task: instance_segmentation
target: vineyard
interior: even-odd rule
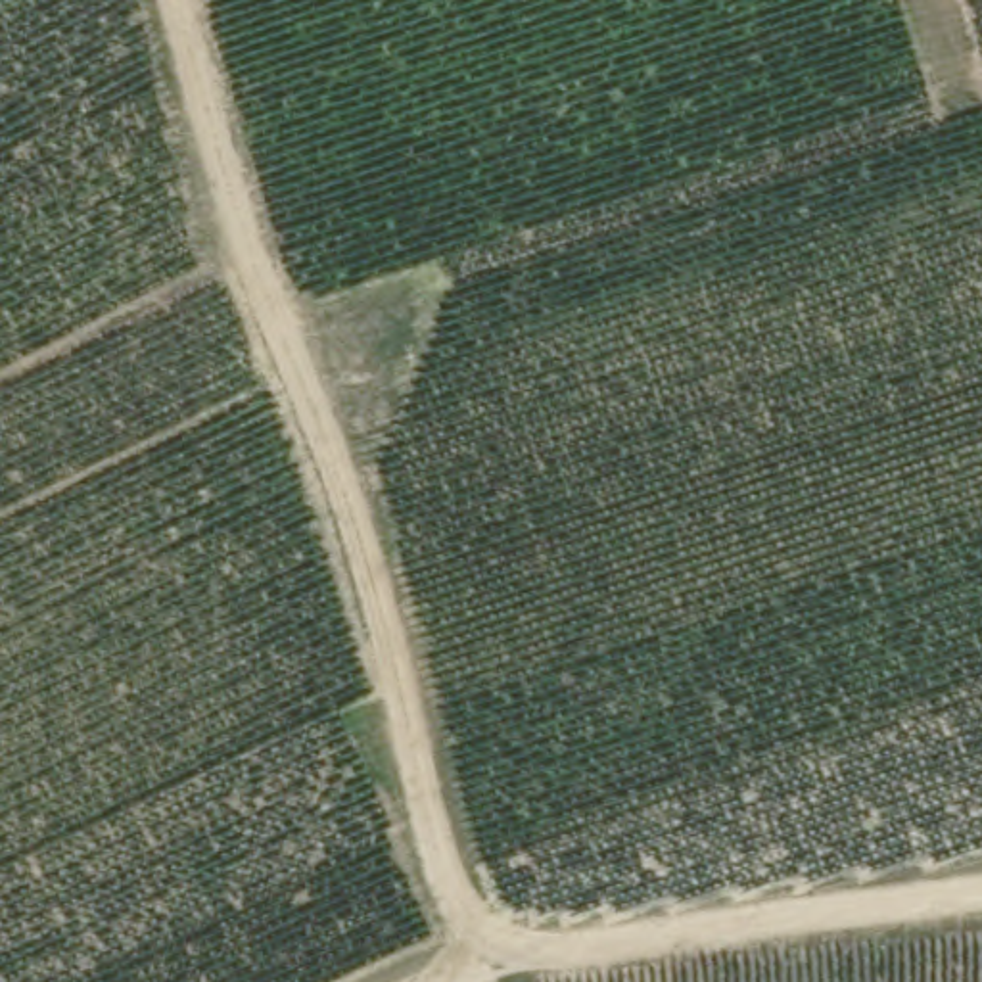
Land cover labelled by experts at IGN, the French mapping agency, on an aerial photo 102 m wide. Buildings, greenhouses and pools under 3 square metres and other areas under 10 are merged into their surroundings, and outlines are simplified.
[[[503,982],[982,982],[982,913],[921,924],[779,936],[763,944],[698,955],[621,959],[614,967],[587,967],[575,978],[533,970],[510,974]]]
[[[698,898],[702,909],[737,909],[775,898],[817,898],[832,890],[882,890],[901,882],[944,882],[982,875],[982,0],[207,0],[226,88],[242,119],[242,142],[261,184],[280,265],[299,299],[307,349],[334,403],[353,468],[380,468],[380,491],[368,499],[368,510],[384,556],[399,556],[403,564],[414,618],[426,633],[426,671],[437,690],[441,717],[430,725],[430,740],[441,779],[441,802],[460,859],[468,852],[479,852],[479,859],[491,867],[499,898],[510,909],[537,913],[579,913],[591,905],[629,909],[648,898]]]
[[[226,242],[215,219],[211,180],[196,150],[157,0],[0,0],[0,982],[330,982],[422,940],[430,932],[426,913],[437,905],[414,844],[414,825],[391,756],[384,706],[368,690],[368,675],[361,667],[341,610],[341,595],[322,537],[315,533],[315,510],[303,491],[303,476],[292,460],[292,441],[284,437],[276,414],[276,399],[253,372],[242,315],[222,284]]]

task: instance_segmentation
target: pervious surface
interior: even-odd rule
[[[491,867],[479,859],[479,852],[468,852],[460,859],[441,802],[441,779],[430,740],[430,725],[441,717],[437,690],[426,671],[426,633],[414,618],[403,564],[399,556],[384,556],[368,510],[368,499],[380,491],[380,468],[353,468],[334,403],[307,349],[299,299],[280,265],[261,184],[242,142],[242,119],[226,88],[207,0],[157,0],[196,150],[211,180],[215,219],[226,242],[222,284],[242,315],[253,372],[276,399],[276,414],[284,437],[292,441],[292,460],[303,476],[303,491],[315,510],[315,533],[322,537],[341,595],[341,610],[361,667],[368,675],[368,690],[384,706],[391,756],[414,825],[414,844],[437,905],[426,913],[430,932],[422,940],[330,982],[503,982],[510,974],[533,970],[575,978],[587,967],[614,967],[621,959],[698,955],[763,944],[779,936],[921,924],[982,913],[982,875],[944,882],[901,882],[882,890],[832,890],[817,898],[775,898],[737,909],[702,909],[698,898],[648,898],[629,909],[591,905],[579,913],[537,913],[510,909],[499,898]]]

